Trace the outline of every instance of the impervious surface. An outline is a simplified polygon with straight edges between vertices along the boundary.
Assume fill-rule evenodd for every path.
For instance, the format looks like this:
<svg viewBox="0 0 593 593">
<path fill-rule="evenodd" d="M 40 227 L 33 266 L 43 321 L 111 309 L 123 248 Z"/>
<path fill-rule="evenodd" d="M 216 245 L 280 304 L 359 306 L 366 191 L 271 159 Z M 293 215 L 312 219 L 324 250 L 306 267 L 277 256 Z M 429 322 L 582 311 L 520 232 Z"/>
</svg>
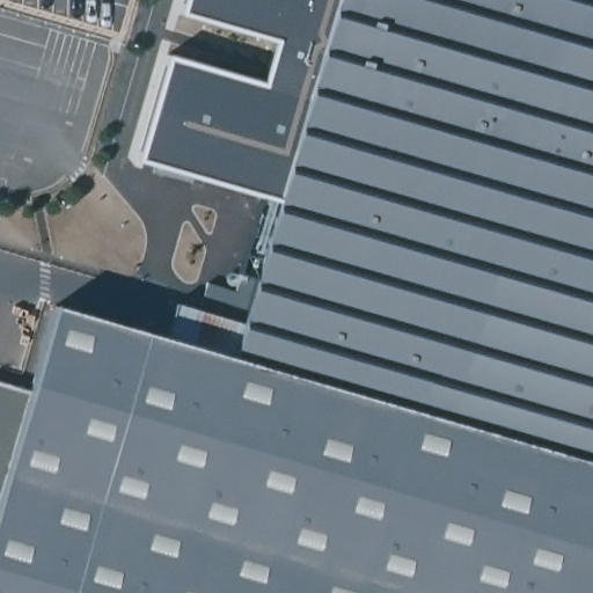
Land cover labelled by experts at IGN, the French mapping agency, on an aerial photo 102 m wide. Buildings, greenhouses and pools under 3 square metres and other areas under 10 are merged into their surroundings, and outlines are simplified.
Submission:
<svg viewBox="0 0 593 593">
<path fill-rule="evenodd" d="M 130 160 L 130 146 L 134 139 L 134 130 L 139 123 L 139 114 L 158 56 L 183 56 L 255 79 L 266 79 L 273 51 L 248 44 L 246 37 L 239 35 L 222 37 L 215 32 L 197 32 L 195 37 L 188 37 L 169 30 L 167 19 L 174 0 L 0 0 L 0 202 L 9 202 L 12 206 L 21 208 L 25 218 L 32 215 L 37 220 L 39 234 L 39 243 L 35 246 L 35 250 L 25 250 L 21 246 L 0 241 L 0 380 L 25 389 L 32 387 L 32 364 L 39 354 L 39 338 L 58 306 L 114 320 L 144 331 L 153 331 L 160 336 L 167 336 L 171 331 L 174 320 L 178 317 L 178 306 L 199 308 L 236 322 L 243 322 L 248 317 L 248 310 L 243 308 L 208 299 L 204 294 L 204 287 L 213 283 L 218 287 L 225 287 L 229 283 L 236 287 L 243 285 L 248 278 L 262 278 L 262 269 L 252 269 L 252 262 L 257 257 L 257 241 L 262 236 L 262 227 L 269 213 L 269 202 L 197 181 L 167 176 L 148 167 L 137 167 Z M 58 195 L 63 188 L 72 185 L 69 174 L 81 162 L 93 162 L 95 153 L 100 151 L 100 132 L 107 127 L 114 134 L 114 144 L 102 146 L 102 151 L 107 151 L 109 155 L 107 171 L 109 181 L 141 215 L 146 225 L 146 257 L 134 276 L 123 276 L 114 271 L 97 273 L 90 266 L 58 259 L 51 252 L 44 211 L 51 195 Z"/>
</svg>

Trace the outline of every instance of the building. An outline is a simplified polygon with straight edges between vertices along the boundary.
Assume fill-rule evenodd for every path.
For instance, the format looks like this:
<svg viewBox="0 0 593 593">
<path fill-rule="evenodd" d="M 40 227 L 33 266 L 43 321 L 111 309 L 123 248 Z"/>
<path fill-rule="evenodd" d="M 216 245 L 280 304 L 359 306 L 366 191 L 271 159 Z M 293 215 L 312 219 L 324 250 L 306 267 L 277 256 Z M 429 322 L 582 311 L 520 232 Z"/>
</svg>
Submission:
<svg viewBox="0 0 593 593">
<path fill-rule="evenodd" d="M 195 37 L 197 32 L 215 32 L 222 37 L 239 35 L 246 37 L 248 44 L 273 51 L 266 79 L 255 79 L 183 56 L 158 56 L 139 114 L 139 123 L 134 130 L 134 139 L 130 146 L 130 160 L 137 167 L 148 167 L 167 176 L 197 181 L 269 202 L 269 213 L 262 227 L 262 236 L 257 241 L 257 257 L 252 262 L 252 269 L 262 269 L 262 278 L 248 278 L 243 285 L 236 287 L 229 283 L 225 287 L 218 287 L 213 283 L 204 287 L 204 294 L 208 299 L 243 308 L 248 310 L 248 317 L 243 322 L 236 322 L 199 308 L 178 306 L 178 317 L 174 320 L 171 331 L 167 336 L 160 336 L 153 331 L 144 331 L 114 320 L 58 306 L 39 338 L 39 354 L 32 364 L 32 387 L 25 389 L 0 380 L 0 593 L 593 593 L 593 0 L 174 0 L 167 19 L 169 30 L 188 37 Z"/>
</svg>

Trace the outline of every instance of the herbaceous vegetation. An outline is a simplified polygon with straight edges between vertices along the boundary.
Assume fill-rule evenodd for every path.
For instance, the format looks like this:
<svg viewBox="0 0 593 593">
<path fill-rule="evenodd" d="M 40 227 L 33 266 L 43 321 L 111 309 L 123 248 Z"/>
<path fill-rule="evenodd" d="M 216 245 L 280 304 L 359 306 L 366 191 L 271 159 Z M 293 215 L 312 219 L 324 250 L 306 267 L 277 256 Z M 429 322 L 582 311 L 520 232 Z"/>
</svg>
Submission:
<svg viewBox="0 0 593 593">
<path fill-rule="evenodd" d="M 86 195 L 81 202 L 63 204 L 60 213 L 44 211 L 51 252 L 58 259 L 90 266 L 97 273 L 114 271 L 123 276 L 134 276 L 146 257 L 146 225 L 141 215 L 109 181 L 107 171 L 102 171 L 93 162 L 81 162 L 69 174 L 72 185 L 74 190 Z"/>
<path fill-rule="evenodd" d="M 25 250 L 35 250 L 35 246 L 39 243 L 39 234 L 37 220 L 32 215 L 25 218 L 21 208 L 12 206 L 9 202 L 0 202 L 0 241 L 21 246 Z"/>
</svg>

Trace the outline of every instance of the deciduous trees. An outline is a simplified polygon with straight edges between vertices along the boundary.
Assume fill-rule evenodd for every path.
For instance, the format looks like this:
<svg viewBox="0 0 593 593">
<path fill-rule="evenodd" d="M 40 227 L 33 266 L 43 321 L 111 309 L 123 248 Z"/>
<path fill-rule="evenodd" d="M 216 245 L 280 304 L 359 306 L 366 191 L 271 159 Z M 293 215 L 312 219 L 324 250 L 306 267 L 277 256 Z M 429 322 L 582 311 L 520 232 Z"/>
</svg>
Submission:
<svg viewBox="0 0 593 593">
<path fill-rule="evenodd" d="M 102 146 L 114 144 L 114 134 L 107 127 L 100 132 L 100 151 L 95 153 L 93 162 L 102 171 L 107 171 L 109 155 L 107 151 L 102 151 Z"/>
<path fill-rule="evenodd" d="M 60 213 L 63 204 L 81 202 L 86 195 L 74 190 L 72 185 L 63 188 L 58 195 L 51 195 L 44 211 Z"/>
</svg>

